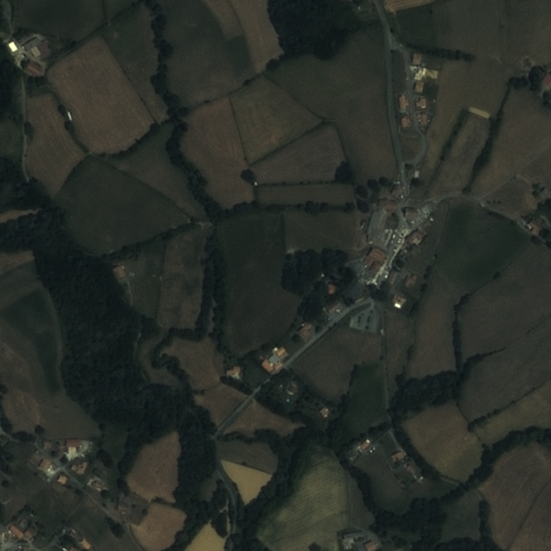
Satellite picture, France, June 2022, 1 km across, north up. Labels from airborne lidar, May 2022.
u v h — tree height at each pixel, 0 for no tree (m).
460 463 0
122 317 12
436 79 0
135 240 0
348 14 0
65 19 0
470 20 0
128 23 0
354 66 0
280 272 0
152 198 0
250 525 25
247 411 0
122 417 22
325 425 0
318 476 0
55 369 0
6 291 0
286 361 0
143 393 24
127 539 0
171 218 0
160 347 10
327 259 20
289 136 0
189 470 21
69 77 0
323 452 0
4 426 17
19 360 0
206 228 0
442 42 0
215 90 0
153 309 0
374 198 0
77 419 0
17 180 11
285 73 0
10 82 25
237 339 0
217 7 0
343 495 0
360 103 0
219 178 0
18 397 0
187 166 18
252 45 0
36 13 0
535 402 0
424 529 16
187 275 0
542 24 0
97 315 16
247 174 17
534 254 0
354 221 0
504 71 0
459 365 14
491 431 0
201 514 20
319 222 0
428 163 0
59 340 0
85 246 0
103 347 13
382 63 0
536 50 0
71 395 13
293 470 20
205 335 12
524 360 0
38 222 22
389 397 0
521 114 0
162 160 0
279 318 0
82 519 0
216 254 26
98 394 16
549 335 0
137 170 0
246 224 0
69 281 15
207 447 26
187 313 0
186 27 0
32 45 0
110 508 0
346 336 0
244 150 0
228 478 0
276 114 0
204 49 0
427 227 0
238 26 0
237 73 0
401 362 0
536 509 0
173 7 0
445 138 0
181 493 20
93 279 12
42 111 0
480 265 0
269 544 0
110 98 0
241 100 0
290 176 0
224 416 0
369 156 0
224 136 0
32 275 0
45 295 0
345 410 14
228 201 0
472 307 0
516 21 0
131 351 15
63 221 17
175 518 0
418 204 0
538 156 0
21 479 0
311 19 29
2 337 0
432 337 0
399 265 14
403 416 17
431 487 0
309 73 0
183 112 18
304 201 0
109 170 0
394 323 0
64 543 10
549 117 0
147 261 0
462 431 0
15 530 0
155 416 18
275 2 28
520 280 0
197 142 0
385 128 0
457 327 12
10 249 19
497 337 0
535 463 0
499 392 0
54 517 0
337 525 0
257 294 0
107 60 0
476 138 0
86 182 0
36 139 0
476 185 0
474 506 0
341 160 0
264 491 16
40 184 16
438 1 0
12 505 0
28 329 0
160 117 0
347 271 19
